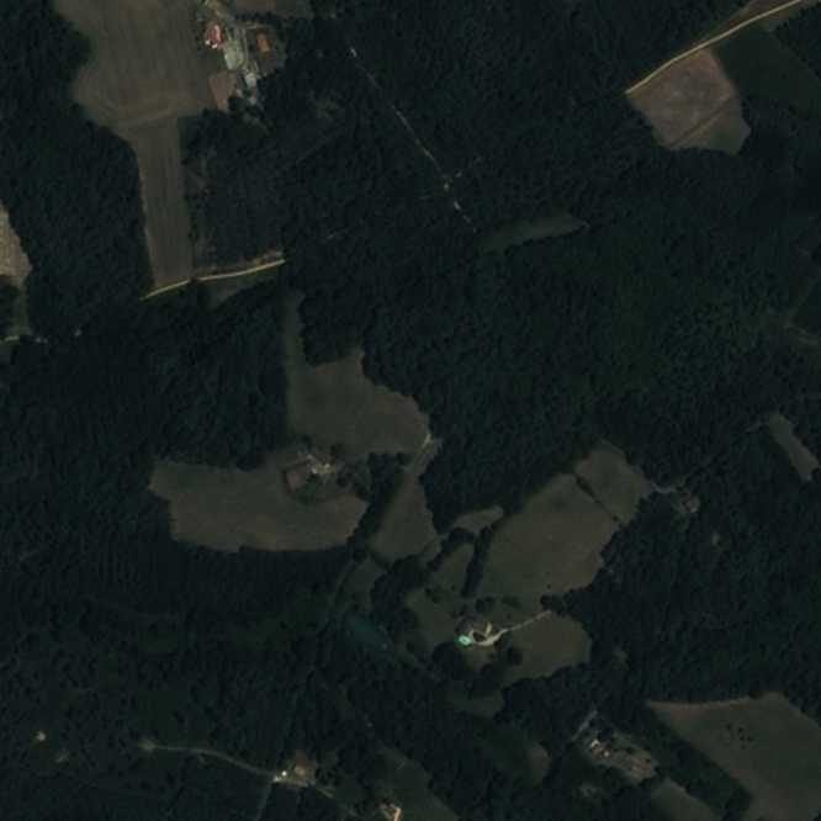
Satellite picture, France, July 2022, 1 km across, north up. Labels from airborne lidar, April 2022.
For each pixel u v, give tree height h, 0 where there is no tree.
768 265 21
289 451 0
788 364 22
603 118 14
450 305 22
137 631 15
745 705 0
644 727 11
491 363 29
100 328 12
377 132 17
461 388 27
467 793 8
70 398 10
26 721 8
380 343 28
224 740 27
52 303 7
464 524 0
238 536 0
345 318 17
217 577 11
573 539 0
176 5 0
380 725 16
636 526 12
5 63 15
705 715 0
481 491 21
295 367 0
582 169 20
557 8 22
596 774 7
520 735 0
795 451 0
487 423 29
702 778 7
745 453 27
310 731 21
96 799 13
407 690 13
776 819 0
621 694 15
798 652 21
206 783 15
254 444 21
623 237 19
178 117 0
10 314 22
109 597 11
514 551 0
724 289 8
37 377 16
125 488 17
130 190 12
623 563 10
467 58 19
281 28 14
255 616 19
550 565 0
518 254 18
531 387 13
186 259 0
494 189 17
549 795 20
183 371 21
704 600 18
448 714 17
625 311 14
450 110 20
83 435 14
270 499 0
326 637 17
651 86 0
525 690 28
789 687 11
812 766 0
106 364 14
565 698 27
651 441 21
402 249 12
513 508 18
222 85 0
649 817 25
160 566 16
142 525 25
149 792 18
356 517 0
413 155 21
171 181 0
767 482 13
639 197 21
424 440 0
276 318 18
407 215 8
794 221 19
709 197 16
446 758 18
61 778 14
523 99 15
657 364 8
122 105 0
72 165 16
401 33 15
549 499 0
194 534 0
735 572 18
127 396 13
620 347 12
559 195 20
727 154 10
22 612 24
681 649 17
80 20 0
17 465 24
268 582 8
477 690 19
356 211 28
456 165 22
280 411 22
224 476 0
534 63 25
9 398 13
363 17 17
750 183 20
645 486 0
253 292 13
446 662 19
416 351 31
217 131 16
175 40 0
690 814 0
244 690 26
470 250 14
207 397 29
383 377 23
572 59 17
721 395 8
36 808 13
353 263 11
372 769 17
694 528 14
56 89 12
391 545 0
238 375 24
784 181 23
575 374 6
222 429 27
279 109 10
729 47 0
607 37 13
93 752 0
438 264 16
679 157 18
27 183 16
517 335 14
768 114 21
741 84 0
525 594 0
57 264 27
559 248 18
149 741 0
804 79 0
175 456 18
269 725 19
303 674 22
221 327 9
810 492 22
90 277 26
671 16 15
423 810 0
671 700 20
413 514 0
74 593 15
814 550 25
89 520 21
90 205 22
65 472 15
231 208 14
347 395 0
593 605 20
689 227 20
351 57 19
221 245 14
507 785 26
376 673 24
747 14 0
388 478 15
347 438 0
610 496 0
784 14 0
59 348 20
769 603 15
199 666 17
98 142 14
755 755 0
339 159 25
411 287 19
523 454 25
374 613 8
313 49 15
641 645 18
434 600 9
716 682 15
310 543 0
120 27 0
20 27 17
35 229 27
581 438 22
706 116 0
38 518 23
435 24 15
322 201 23
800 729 0
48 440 23
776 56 0
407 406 0
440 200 20
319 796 17
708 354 12
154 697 0
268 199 12
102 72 0
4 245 0
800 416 26
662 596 16
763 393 24
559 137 26
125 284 25
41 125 17
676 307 12
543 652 0
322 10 8
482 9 13
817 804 0
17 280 0
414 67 16
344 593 12
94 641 13
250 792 15
